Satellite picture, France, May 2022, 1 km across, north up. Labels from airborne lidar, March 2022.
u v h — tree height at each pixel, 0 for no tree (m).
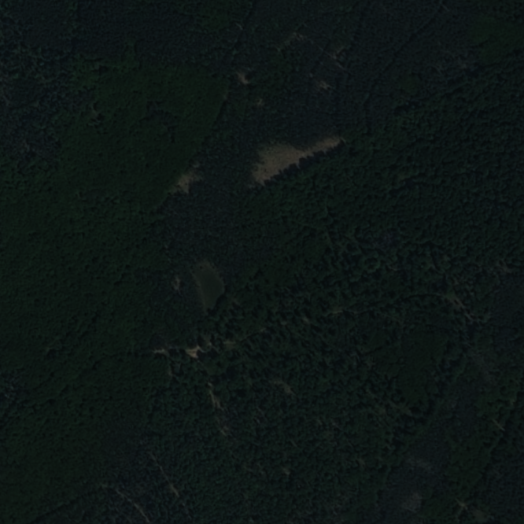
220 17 15
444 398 24
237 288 14
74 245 21
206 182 21
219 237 20
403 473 27
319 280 7
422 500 27
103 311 23
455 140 26
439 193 25
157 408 19
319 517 20
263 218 17
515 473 25
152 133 20
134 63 15
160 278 20
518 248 30
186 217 18
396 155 25
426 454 30
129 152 21
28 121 21
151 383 21
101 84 22
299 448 20
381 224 26
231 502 15
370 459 25
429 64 31
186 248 15
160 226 15
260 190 19
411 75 33
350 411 24
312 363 27
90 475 19
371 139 25
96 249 23
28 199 20
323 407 25
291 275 7
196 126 14
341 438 23
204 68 21
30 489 20
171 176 19
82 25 18
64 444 18
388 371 11
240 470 25
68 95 24
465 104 29
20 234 19
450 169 28
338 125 30
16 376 24
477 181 25
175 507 22
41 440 21
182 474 22
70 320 20
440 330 12
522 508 28
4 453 19
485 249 28
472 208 27
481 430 23
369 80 30
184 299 17
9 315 17
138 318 21
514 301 21
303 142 26
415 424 29
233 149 21
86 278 23
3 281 22
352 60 26
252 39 18
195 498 20
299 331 26
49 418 24
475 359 24
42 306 22
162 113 12
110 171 18
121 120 18
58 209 16
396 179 26
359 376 9
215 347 23
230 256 23
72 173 18
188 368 26
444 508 28
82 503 19
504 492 28
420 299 27
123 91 19
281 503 25
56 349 11
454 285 26
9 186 20
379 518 26
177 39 22
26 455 17
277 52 20
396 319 8
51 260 24
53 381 23
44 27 11
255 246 20
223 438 27
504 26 26
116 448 22
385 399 24
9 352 20
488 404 27
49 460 23
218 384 29
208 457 21
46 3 10
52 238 20
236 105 19
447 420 29
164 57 18
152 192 19
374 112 28
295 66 21
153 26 25
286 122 22
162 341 19
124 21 25
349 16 21
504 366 29
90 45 21
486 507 19
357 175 28
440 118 29
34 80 9
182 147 18
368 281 28
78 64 16
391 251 22
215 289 0
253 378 28
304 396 23
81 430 21
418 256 25
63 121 22
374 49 33
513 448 28
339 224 27
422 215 27
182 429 20
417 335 14
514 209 23
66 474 21
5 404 25
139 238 18
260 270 15
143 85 14
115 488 15
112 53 23
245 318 28
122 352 18
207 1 15
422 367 9
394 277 11
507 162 28
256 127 23
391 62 30
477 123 27
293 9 22
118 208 23
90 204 15
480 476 13
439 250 13
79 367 22
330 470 23
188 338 16
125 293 17
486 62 24
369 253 25
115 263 22
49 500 19
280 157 0
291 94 28
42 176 19
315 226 15
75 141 23
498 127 26
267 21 22
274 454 26
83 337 22
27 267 23
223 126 23
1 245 15
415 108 28
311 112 26
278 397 25
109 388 23
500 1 28
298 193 28
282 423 26
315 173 22
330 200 27
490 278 19
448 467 20
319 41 22
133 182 11
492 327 17
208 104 16
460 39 30
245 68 21
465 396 30
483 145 27
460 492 25
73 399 28
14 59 9
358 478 19
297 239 8
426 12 30
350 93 32
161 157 17
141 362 21
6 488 24
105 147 18
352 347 8
